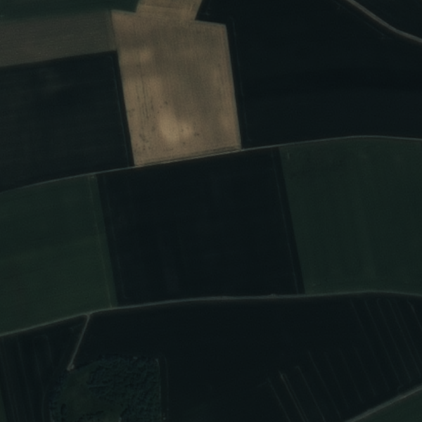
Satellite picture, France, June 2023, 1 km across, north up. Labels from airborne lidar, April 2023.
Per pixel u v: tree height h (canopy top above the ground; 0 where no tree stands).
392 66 0
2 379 0
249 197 0
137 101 0
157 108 0
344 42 0
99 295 0
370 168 0
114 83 0
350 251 0
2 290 0
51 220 0
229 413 0
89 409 0
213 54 0
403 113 0
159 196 0
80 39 0
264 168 0
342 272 0
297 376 0
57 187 0
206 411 0
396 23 0
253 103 0
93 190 0
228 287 0
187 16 0
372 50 0
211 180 0
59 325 0
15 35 0
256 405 0
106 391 8
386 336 0
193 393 0
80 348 0
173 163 0
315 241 0
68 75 0
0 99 0
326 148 0
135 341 0
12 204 0
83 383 0
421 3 0
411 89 0
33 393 0
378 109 0
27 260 0
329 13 0
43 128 0
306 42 0
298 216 0
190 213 0
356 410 0
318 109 0
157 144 0
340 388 0
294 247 0
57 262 0
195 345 0
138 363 8
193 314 0
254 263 0
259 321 0
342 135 0
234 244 0
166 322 0
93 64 0
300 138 0
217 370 0
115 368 13
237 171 0
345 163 0
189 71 0
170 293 0
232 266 0
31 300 0
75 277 0
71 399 0
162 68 0
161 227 0
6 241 0
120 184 0
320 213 0
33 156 0
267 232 0
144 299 0
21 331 0
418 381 0
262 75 0
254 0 0
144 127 0
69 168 0
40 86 0
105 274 0
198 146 0
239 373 0
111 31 0
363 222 0
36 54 0
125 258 0
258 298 0
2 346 0
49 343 0
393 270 0
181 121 0
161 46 0
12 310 0
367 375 0
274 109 0
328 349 0
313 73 0
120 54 0
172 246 0
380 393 0
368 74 0
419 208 0
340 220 0
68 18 0
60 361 0
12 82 0
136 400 8
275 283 0
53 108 0
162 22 0
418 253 0
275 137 0
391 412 0
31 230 0
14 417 0
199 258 0
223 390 0
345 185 0
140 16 0
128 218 0
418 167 0
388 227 0
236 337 0
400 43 0
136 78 0
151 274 0
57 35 0
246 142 0
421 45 0
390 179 0
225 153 0
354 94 0
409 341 0
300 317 0
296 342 0
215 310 0
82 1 0
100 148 0
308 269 0
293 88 0
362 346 0
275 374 0
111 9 0
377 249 0
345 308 0
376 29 0
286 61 0
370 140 0
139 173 0
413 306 0
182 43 0
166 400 0
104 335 0
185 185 0
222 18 0
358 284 0
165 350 0
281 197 0
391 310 0
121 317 0
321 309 0
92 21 0
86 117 0
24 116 0
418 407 0
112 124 0
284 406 0
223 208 0
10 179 0
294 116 0
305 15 0
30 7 0
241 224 0
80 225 0
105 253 0
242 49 0
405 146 0
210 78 0
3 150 0
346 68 0
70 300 0
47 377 0
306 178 0
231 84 0
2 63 0
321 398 0
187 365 0
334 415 0
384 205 0
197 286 0
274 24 0
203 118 0
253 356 0
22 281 0
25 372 0
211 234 0
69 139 0
